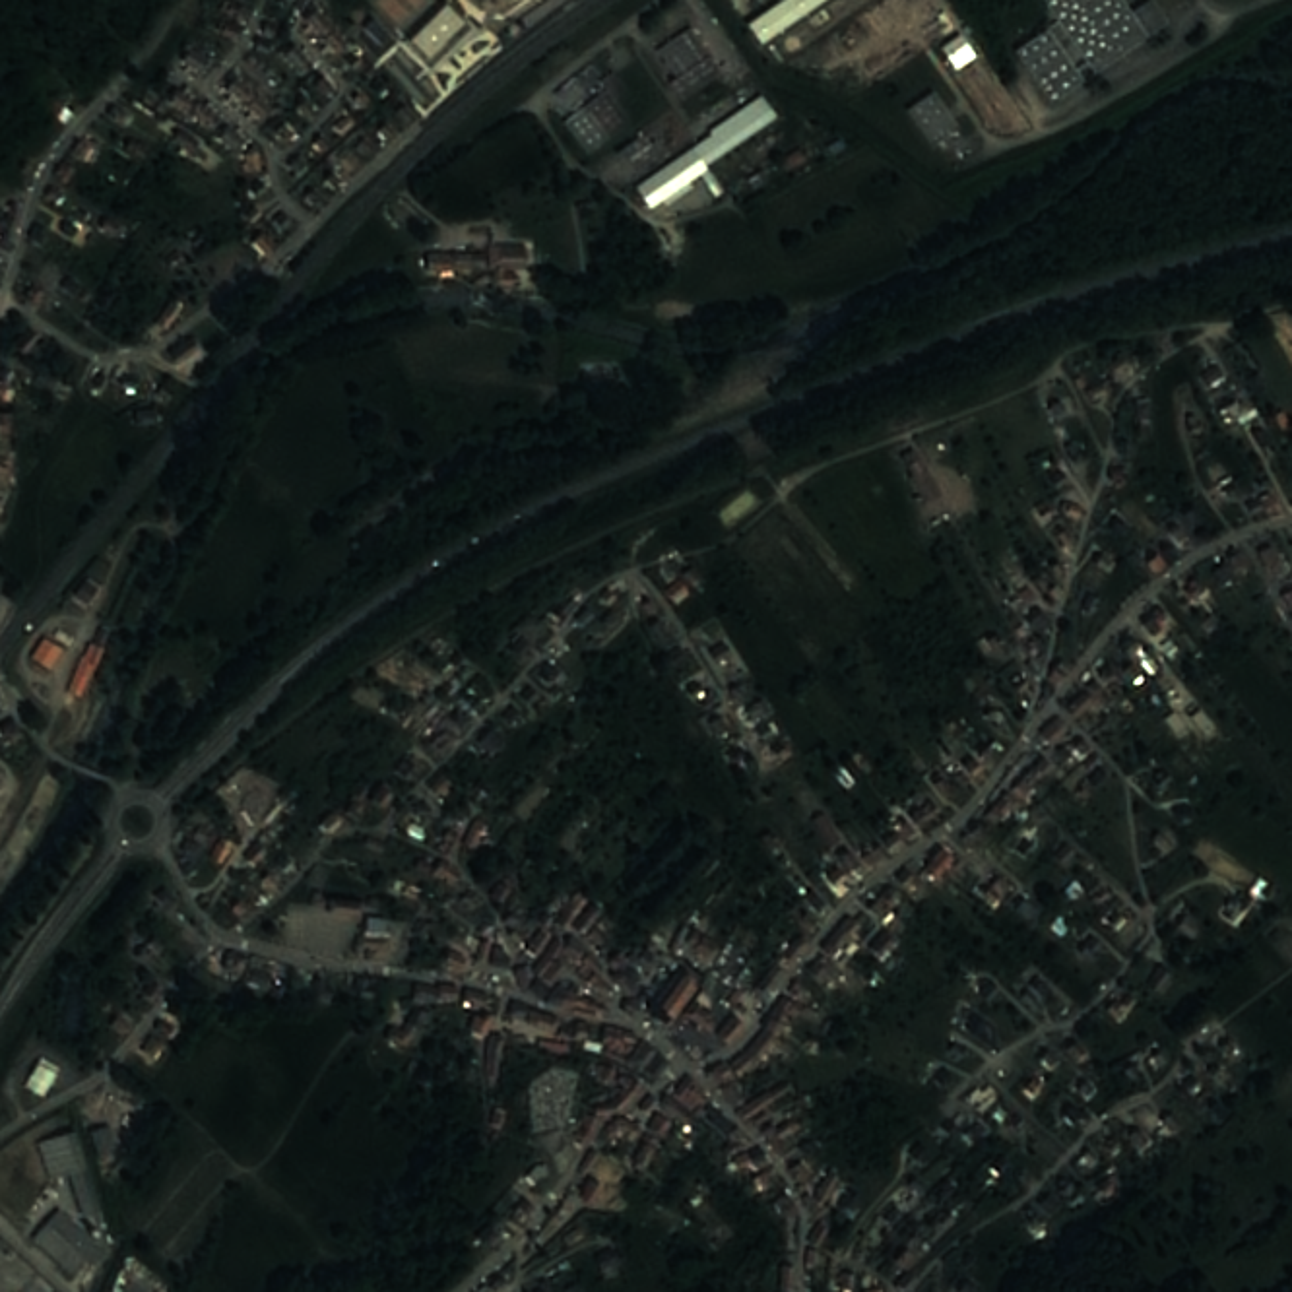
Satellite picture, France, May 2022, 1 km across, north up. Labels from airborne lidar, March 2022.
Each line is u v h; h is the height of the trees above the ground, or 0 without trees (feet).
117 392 0
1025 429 0
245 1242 0
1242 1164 32
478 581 46
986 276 59
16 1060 0
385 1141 0
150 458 0
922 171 0
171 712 43
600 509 0
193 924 21
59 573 0
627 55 0
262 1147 0
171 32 0
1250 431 0
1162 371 0
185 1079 0
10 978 0
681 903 24
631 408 92
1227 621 21
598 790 41
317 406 0
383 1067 0
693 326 52
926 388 61
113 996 31
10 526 0
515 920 0
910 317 61
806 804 0
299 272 0
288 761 0
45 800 0
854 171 0
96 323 22
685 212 0
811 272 0
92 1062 28
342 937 0
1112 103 0
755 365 0
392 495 32
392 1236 81
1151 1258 0
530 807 0
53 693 0
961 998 0
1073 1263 72
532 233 0
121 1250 0
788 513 0
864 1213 0
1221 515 0
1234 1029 0
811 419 59
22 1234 0
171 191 22
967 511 0
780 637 0
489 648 24
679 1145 0
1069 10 0
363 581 20
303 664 0
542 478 60
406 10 0
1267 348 0
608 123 0
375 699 0
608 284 60
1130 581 0
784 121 0
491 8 0
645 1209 0
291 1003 54
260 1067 0
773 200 0
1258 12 0
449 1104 52
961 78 0
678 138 0
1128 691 21
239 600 0
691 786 0
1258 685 0
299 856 0
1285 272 58
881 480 0
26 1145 0
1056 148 0
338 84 0
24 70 63
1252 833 0
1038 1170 0
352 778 20
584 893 31
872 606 0
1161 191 74
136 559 37
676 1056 0
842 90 0
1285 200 37
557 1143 0
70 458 0
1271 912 40
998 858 0
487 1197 0
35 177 0
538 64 0
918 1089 0
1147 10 0
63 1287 0
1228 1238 0
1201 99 65
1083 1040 34
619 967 0
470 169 0
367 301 87
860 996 0
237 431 87
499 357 0
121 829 0
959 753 0
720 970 0
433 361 0
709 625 0
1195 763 0
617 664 34
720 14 0
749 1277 19
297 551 0
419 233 78
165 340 0
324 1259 0
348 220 0
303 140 0
